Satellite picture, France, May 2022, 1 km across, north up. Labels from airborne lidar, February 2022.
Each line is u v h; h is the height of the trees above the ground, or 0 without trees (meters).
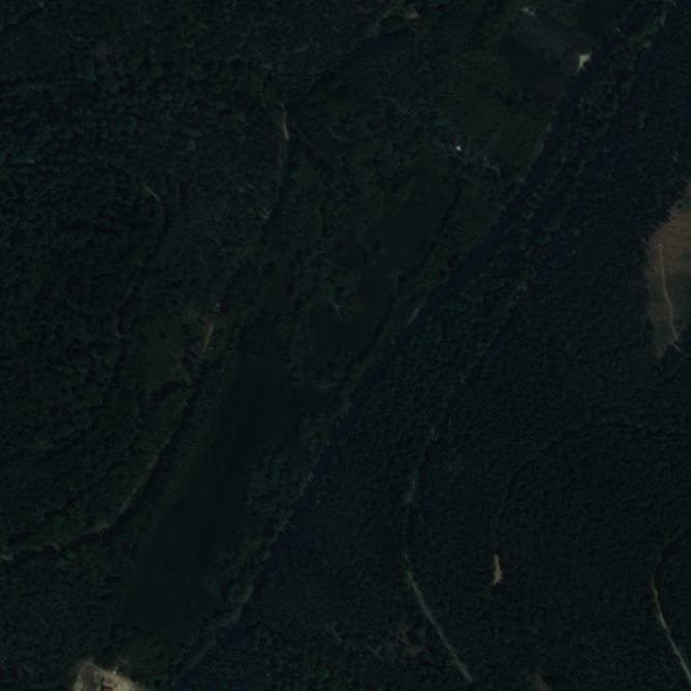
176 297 30
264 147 29
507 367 21
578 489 23
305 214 18
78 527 27
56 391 33
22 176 37
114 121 36
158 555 0
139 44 22
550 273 30
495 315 27
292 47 7
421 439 32
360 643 30
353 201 22
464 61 18
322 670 37
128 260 28
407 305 0
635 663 26
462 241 6
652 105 31
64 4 22
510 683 22
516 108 11
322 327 0
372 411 23
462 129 13
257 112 19
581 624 24
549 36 5
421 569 25
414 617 19
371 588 29
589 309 27
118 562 32
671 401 26
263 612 21
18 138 36
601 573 20
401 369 23
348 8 9
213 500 0
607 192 29
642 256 22
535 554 22
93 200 34
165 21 19
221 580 0
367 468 26
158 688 15
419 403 29
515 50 0
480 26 22
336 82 17
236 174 30
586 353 25
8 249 37
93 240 28
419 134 23
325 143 31
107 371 28
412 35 28
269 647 30
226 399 0
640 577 23
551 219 32
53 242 30
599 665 26
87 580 26
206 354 0
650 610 25
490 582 18
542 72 0
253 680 33
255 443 0
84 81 29
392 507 25
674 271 0
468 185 22
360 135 26
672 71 31
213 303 24
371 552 21
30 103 12
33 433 30
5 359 30
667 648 29
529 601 21
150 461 29
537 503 25
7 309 33
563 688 18
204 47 11
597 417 21
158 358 0
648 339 24
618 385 26
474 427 20
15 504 27
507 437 17
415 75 13
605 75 34
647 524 23
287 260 0
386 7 8
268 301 0
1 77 15
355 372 20
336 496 23
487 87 13
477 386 26
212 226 29
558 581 20
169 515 0
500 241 27
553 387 26
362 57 32
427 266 12
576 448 22
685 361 28
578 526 20
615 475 23
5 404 27
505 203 20
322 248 7
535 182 24
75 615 25
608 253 31
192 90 33
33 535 28
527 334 28
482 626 20
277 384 0
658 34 0
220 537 0
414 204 0
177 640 0
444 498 24
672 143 30
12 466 25
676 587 22
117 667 0
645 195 30
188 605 0
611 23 0
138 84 33
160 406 28
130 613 0
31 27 29
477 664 19
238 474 0
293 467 19
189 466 0
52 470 21
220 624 20
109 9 24
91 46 34
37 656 29
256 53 7
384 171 24
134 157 31
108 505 27
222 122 29
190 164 38
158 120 34
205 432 0
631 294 23
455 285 21
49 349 31
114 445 27
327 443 0
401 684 27
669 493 22
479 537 19
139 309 26
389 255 0
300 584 22
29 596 23
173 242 23
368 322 0
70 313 37
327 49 8
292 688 36
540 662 24
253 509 6
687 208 0
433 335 23
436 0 19
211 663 30
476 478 19
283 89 10
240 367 0
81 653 24
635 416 24
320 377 14
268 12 16
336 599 22
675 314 0
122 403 28
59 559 32
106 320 30
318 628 27
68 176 37
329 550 22
